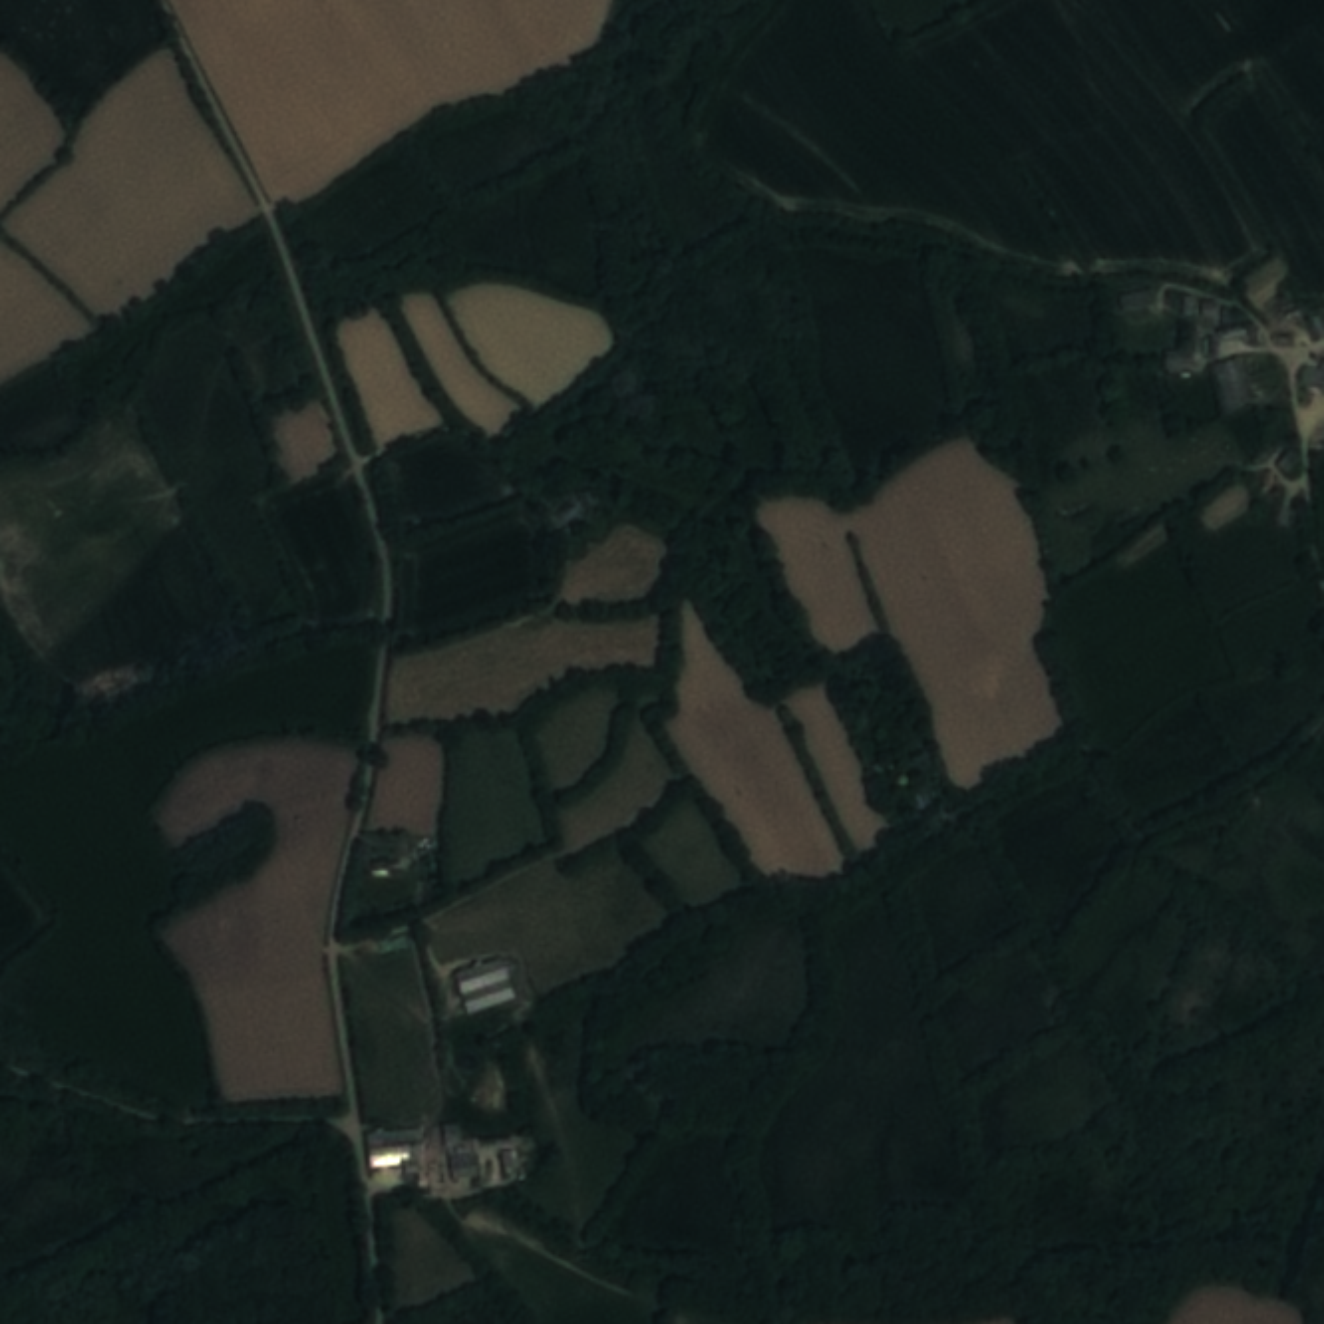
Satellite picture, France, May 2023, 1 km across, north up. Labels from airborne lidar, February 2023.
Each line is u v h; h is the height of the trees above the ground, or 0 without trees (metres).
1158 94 0
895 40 12
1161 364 13
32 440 0
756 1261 12
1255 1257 19
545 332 0
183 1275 18
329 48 0
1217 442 0
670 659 16
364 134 0
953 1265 16
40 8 0
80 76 0
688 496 0
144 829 0
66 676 0
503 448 16
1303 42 0
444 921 0
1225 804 15
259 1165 9
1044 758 16
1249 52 0
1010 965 0
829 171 0
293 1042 0
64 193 0
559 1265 0
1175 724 0
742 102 0
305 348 9
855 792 0
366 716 0
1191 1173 15
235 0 0
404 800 0
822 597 0
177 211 0
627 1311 0
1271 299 0
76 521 0
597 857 7
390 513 13
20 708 10
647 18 17
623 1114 18
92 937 0
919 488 0
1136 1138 10
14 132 0
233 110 0
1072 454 0
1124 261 0
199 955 0
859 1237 0
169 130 0
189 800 0
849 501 16
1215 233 0
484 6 0
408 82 0
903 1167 0
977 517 0
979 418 19
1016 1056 8
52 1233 0
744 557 0
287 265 0
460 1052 0
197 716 0
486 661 0
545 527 9
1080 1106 0
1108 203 0
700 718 0
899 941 7
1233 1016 0
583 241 0
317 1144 17
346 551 0
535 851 12
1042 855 0
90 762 0
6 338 0
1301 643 0
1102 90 0
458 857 0
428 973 7
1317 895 0
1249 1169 9
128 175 0
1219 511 0
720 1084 18
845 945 0
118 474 0
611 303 16
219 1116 11
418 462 0
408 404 0
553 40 0
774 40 0
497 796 0
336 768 0
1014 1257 8
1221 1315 0
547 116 11
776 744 0
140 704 16
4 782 0
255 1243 20
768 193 0
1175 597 0
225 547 0
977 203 0
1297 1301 13
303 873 0
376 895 0
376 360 0
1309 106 0
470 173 0
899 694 16
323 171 0
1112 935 0
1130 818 7
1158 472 0
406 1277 0
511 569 0
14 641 11
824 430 9
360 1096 6
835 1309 14
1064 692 15
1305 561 13
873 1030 0
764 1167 0
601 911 0
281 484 12
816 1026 10
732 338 15
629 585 0
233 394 0
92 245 0
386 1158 0
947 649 0
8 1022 12
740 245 9
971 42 0
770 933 0
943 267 16
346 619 0
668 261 8
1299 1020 7
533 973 0
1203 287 8
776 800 0
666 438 7
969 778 0
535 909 0
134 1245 15
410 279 11
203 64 0
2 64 0
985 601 0
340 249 0
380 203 0
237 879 13
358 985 0
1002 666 0
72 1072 15
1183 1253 21
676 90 0
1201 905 10
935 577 0
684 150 9
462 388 0
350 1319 0
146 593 0
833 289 0
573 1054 0
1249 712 0
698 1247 0
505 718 11
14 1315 12
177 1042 0
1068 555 0
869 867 18
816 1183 0
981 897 0
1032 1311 16
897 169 0
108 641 0
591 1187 0
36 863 0
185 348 0
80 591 0
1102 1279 21
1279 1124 0
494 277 9
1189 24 0
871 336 0
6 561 0
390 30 0
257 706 0
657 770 0
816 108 0
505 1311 7
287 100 0
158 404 0
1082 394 0
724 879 0
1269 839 0
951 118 0
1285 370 0
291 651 10
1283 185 0
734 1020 0
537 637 0
